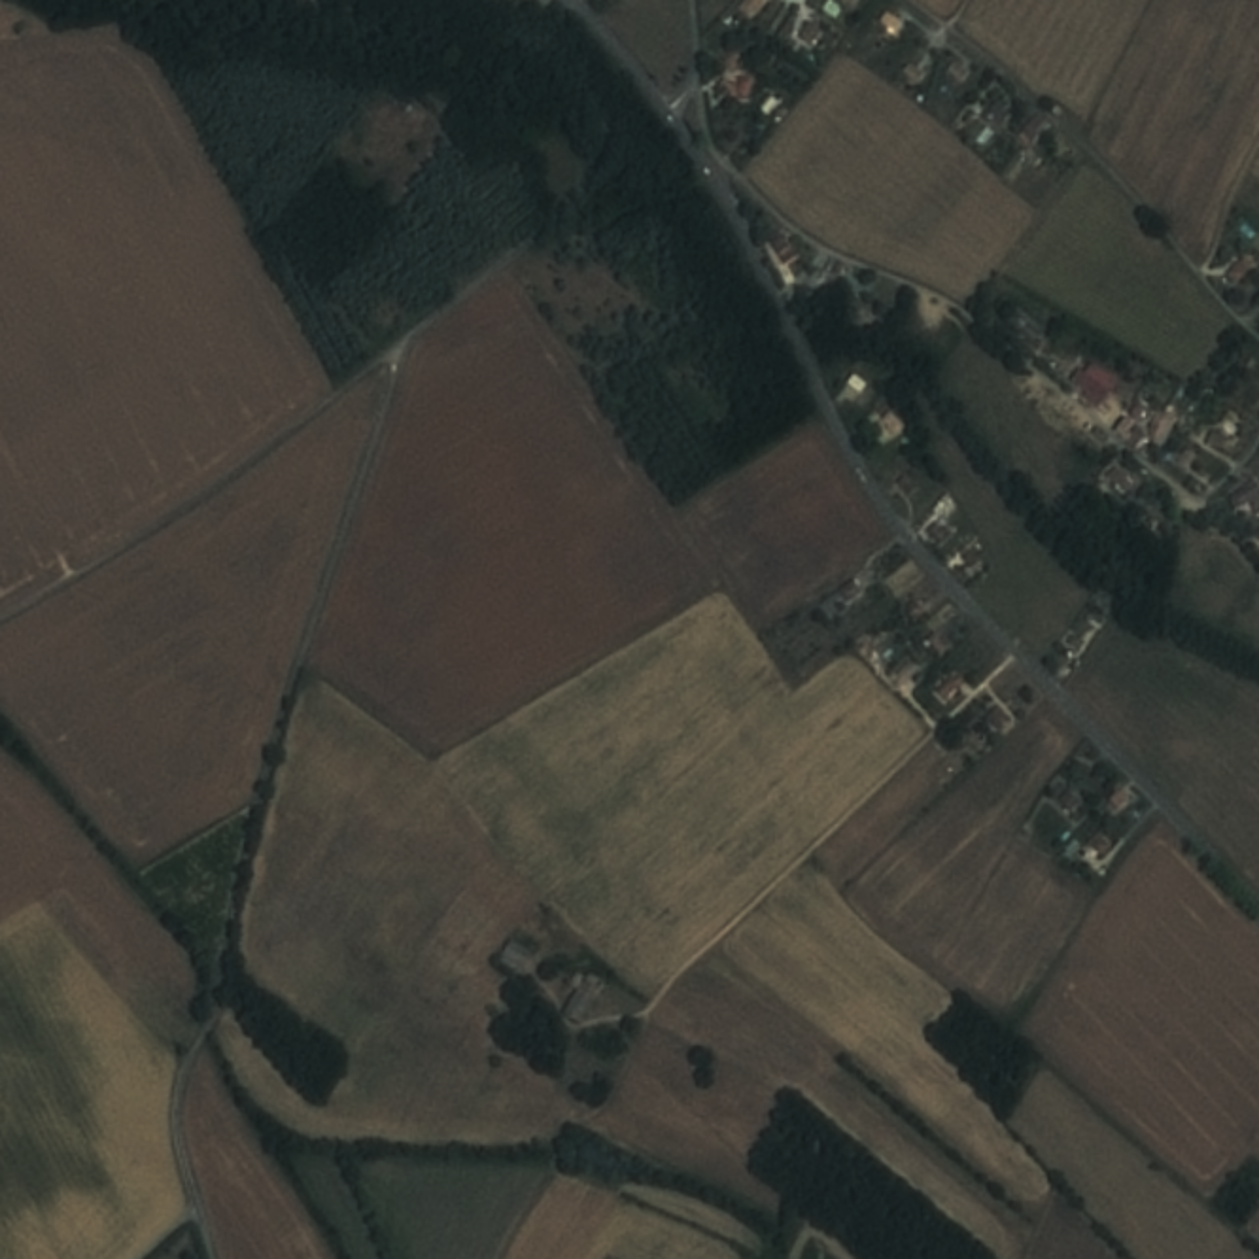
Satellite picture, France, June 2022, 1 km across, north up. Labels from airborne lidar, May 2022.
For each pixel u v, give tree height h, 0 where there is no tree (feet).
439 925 0
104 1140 0
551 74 68
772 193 0
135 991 0
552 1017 56
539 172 70
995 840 0
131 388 0
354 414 0
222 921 0
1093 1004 0
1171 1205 0
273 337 0
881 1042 0
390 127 0
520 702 0
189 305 0
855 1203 58
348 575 0
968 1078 60
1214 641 97
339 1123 0
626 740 0
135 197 0
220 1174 0
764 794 0
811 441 0
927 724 0
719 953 0
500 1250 0
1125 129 0
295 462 0
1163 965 0
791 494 0
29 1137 0
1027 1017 0
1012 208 0
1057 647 23
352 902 0
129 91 0
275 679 0
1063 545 72
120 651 0
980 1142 0
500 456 0
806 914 0
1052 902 0
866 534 0
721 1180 0
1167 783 0
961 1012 31
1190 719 0
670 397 66
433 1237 0
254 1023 52
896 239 0
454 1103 0
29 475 0
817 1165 47
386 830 0
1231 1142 0
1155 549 56
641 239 60
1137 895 0
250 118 48
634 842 0
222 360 0
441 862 0
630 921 0
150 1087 0
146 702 0
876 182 0
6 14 0
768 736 0
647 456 71
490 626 0
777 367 58
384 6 60
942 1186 0
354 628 0
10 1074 0
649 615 0
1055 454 0
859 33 0
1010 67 0
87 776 0
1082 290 0
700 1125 0
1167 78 0
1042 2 0
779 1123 51
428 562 0
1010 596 0
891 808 0
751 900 0
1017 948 0
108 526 0
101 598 0
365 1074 0
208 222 0
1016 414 0
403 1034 0
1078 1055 0
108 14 32
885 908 0
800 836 0
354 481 0
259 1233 0
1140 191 0
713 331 61
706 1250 0
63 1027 0
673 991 0
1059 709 0
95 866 0
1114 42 0
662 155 62
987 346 61
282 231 43
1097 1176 0
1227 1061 0
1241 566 0
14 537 0
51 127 0
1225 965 0
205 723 0
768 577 0
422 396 0
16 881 0
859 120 0
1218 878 77
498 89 76
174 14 84
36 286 0
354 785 0
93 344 0
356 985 0
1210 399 18
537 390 0
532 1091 0
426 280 42
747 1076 0
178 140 0
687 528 0
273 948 0
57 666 0
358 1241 0
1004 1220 0
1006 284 0
